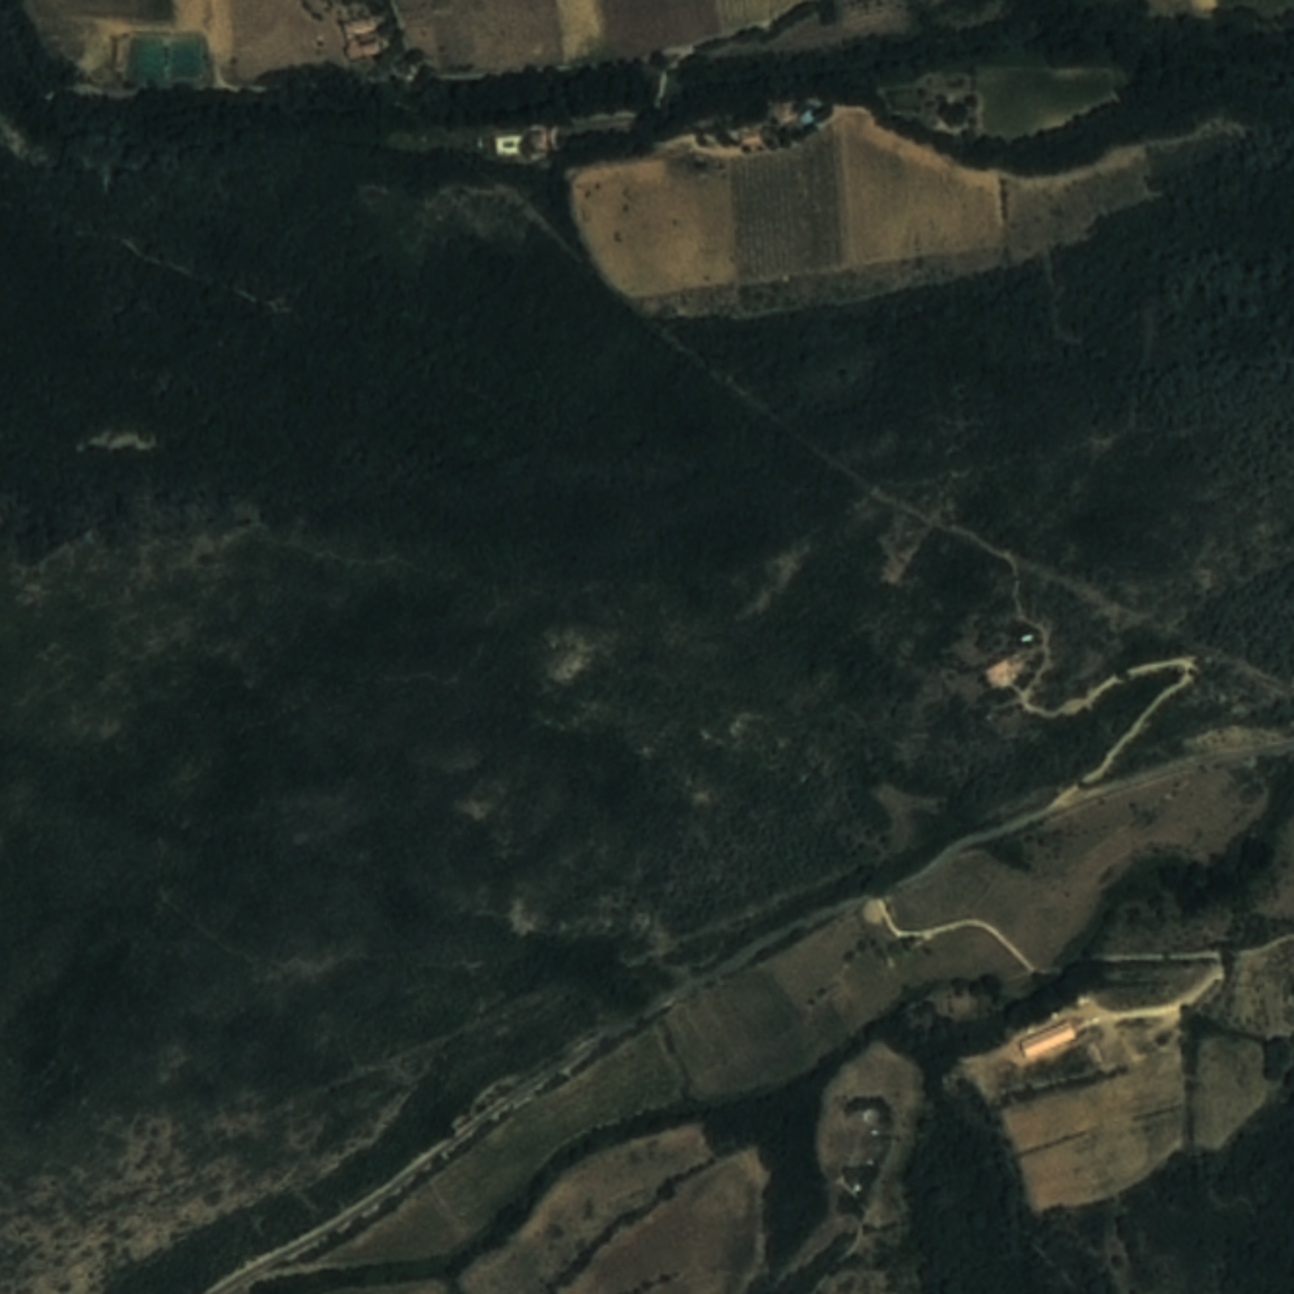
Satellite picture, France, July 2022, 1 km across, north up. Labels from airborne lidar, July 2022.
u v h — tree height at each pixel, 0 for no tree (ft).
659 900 27
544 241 25
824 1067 38
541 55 0
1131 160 0
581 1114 0
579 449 27
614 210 0
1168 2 0
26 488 29
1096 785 0
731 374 31
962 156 24
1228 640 43
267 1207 22
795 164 0
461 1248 20
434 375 28
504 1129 0
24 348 30
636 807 20
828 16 42
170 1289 25
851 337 25
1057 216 0
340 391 28
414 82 17
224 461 23
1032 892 0
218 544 0
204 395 30
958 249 0
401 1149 22
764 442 21
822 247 0
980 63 19
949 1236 33
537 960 27
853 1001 0
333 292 28
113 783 18
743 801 24
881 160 0
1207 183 22
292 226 20
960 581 27
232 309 20
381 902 19
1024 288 29
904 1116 0
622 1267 0
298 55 0
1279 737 0
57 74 23
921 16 28
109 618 0
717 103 46
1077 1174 0
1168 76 47
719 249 0
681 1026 0
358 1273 26
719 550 22
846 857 38
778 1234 20
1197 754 0
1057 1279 33
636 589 19
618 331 35
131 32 0
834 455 17
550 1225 0
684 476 25
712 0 0
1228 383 29
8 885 20
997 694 23
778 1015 0
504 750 19
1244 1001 0
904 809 0
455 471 43
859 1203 21
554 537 28
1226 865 45
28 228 33
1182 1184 20
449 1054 26
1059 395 17
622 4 0
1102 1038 0
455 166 31
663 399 30
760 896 23
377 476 28
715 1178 0
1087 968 42
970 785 41
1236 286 48
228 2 0
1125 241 29
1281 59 73
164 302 30
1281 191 22
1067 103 0
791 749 20
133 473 26
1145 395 42
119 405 33
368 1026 21
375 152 32
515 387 20
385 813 19
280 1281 29
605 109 34
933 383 28
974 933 0
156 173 18
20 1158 0
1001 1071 0
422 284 21
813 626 24
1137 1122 0
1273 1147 28
